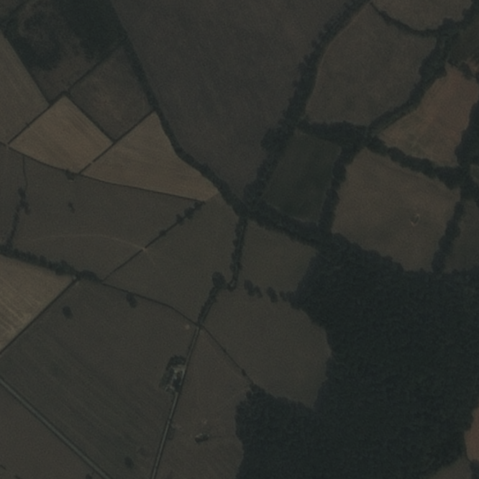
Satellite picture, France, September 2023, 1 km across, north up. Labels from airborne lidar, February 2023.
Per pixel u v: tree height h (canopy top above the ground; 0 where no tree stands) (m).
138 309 0
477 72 0
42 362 0
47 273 0
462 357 23
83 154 0
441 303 22
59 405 0
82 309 0
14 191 0
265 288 0
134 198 0
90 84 0
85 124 0
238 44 0
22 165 0
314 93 0
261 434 17
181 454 0
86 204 0
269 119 0
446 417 9
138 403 0
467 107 0
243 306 0
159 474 0
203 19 0
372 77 0
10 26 6
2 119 0
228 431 0
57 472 0
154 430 0
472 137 23
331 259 22
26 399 0
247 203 17
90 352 0
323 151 0
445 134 0
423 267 0
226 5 0
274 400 14
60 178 0
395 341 24
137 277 0
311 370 0
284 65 0
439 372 20
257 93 0
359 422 28
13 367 0
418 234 0
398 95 0
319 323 19
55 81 0
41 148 0
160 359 0
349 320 20
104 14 0
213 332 0
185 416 0
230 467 0
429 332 25
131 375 0
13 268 0
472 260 0
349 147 13
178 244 0
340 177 18
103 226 0
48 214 0
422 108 0
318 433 27
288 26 0
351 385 28
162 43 0
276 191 0
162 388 0
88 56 0
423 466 15
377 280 19
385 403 25
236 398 0
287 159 0
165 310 0
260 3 0
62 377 0
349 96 0
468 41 0
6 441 0
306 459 28
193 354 0
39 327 0
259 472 20
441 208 0
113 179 0
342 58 0
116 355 0
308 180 0
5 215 0
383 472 24
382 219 0
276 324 0
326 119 0
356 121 0
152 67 0
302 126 17
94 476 0
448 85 0
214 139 0
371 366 27
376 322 18
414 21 0
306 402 0
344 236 0
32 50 0
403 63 0
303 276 0
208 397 0
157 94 0
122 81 0
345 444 26
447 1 0
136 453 0
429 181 0
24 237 0
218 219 0
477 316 21
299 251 0
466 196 16
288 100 0
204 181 0
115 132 0
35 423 0
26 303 0
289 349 0
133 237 0
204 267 0
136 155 0
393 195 0
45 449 0
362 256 21
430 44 0
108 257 0
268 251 0
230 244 0
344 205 0
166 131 12
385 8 0
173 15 0
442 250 18
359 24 0
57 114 0
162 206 0
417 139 0
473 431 0
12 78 0
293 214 0
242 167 0
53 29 0
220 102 0
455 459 12
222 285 15
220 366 0
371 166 0
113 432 0
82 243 0
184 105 0
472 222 0
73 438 0
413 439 29
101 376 0
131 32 0
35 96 0
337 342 23
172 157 0
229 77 0
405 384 25
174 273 0
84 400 0
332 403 24
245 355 0
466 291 17
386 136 0
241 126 0
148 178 0
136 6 0
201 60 0
